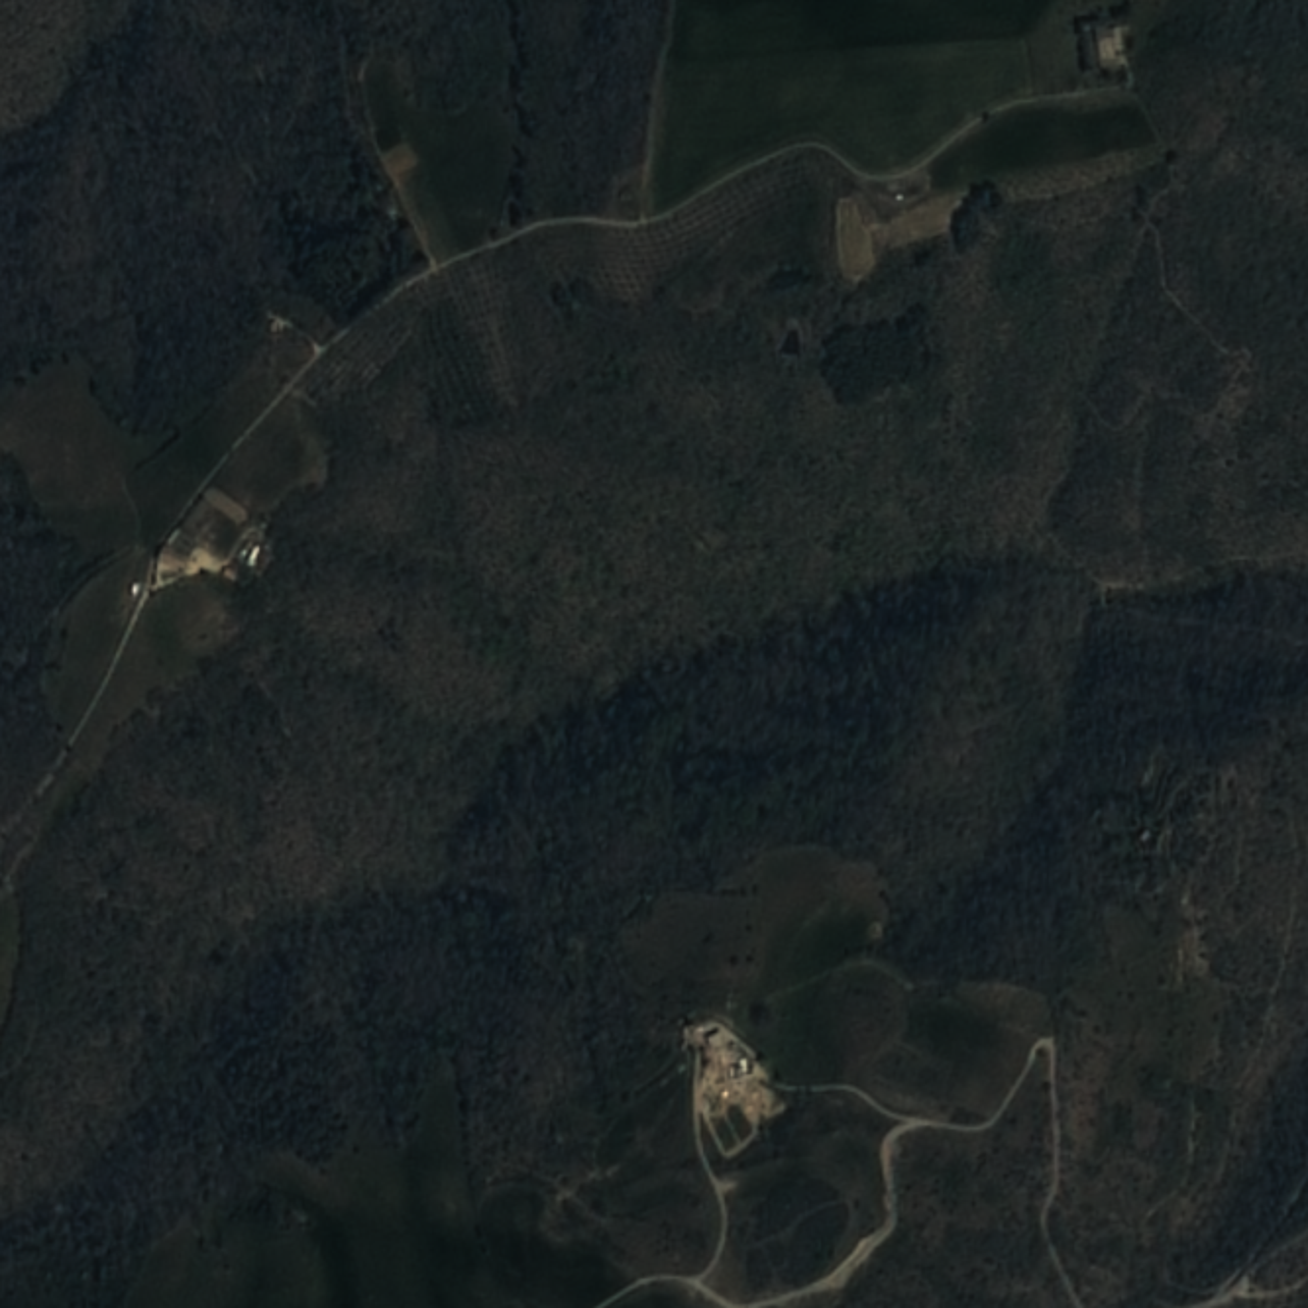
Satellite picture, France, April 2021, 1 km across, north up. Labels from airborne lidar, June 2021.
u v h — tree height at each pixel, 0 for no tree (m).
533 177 7
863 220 0
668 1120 0
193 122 12
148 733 15
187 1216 6
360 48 9
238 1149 15
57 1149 10
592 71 22
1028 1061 0
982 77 0
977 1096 0
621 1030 8
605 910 15
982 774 9
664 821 19
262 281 12
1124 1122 7
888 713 15
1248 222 7
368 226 12
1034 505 9
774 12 0
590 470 10
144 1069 10
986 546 7
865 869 0
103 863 13
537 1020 13
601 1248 0
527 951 14
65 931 12
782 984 0
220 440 0
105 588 0
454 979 15
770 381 13
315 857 6
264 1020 14
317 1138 9
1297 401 6
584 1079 8
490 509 9
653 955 0
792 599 11
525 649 8
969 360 6
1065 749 10
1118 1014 0
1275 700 7
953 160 0
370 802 7
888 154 0
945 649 10
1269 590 13
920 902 6
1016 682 12
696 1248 0
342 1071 14
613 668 15
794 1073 0
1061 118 0
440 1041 10
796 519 8
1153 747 7
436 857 10
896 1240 0
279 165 12
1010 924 7
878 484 9
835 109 0
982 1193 0
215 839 10
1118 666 5
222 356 9
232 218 11
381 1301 0
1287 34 6
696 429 10
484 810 11
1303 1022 10
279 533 10
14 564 14
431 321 7
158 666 0
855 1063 0
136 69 11
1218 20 9
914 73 0
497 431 9
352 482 12
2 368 10
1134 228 7
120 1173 12
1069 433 9
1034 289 12
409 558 11
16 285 10
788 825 10
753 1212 0
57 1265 7
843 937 0
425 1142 0
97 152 15
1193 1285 8
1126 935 0
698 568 13
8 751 14
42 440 0
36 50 7
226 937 13
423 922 12
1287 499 7
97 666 0
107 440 0
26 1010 12
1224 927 7
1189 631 8
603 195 11
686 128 0
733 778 12
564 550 9
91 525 0
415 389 15
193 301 12
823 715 22
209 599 0
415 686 10
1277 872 8
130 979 13
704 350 12
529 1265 0
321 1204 0
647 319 15
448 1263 0
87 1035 13
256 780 9
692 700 19
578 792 18
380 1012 18
